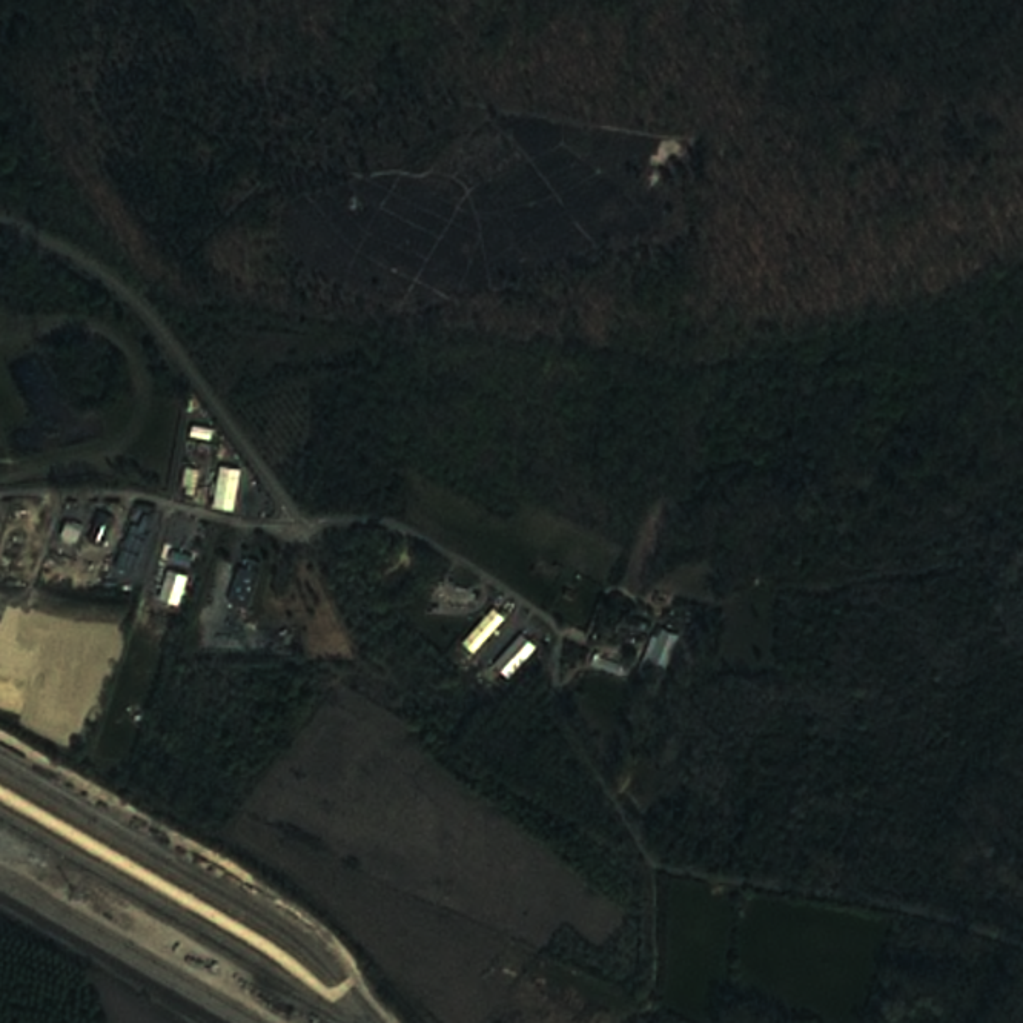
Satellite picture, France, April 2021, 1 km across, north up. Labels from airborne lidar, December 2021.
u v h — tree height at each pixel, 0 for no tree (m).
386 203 0
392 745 0
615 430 21
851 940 0
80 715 0
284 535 0
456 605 0
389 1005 14
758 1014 35
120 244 19
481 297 9
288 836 10
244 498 0
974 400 25
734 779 8
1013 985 35
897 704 8
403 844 0
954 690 8
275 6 16
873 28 24
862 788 15
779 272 18
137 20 20
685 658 33
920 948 6
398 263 0
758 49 30
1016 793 28
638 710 27
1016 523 16
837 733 7
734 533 22
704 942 0
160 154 10
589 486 20
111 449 0
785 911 0
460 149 0
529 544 0
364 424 8
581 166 0
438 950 0
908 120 24
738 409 19
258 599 0
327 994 0
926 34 27
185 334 12
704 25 26
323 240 0
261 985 0
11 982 18
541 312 15
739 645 0
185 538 0
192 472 0
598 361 18
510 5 12
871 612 11
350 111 16
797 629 9
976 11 26
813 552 24
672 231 0
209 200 12
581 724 36
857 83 28
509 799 12
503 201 0
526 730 17
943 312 19
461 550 0
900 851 7
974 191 11
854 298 22
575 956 6
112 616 0
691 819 20
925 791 7
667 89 17
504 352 17
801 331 22
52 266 15
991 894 6
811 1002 0
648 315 19
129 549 0
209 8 17
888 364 19
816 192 20
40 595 0
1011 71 29
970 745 9
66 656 0
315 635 0
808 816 10
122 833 0
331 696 0
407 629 9
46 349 9
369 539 13
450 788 0
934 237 24
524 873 0
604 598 9
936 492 21
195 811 18
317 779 0
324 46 23
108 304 19
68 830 0
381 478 8
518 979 0
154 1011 0
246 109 15
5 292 21
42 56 15
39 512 0
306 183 17
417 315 6
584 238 0
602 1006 0
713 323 19
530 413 23
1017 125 29
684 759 19
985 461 28
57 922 0
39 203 23
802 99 25
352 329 15
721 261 19
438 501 0
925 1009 8
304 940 0
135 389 15
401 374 20
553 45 20
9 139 21
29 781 0
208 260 12
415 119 20
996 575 17
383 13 20
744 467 16
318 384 6
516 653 0
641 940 6
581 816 19
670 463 19
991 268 22
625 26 21
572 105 15
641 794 0
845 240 17
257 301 13
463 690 8
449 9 14
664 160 0
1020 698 8
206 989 0
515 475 21
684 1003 0
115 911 0
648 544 0
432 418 23
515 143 0
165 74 20
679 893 0
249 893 0
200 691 10
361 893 0
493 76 15
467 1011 0
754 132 22
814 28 30
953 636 15
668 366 21
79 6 8
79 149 13
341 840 0
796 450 17
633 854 8
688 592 0
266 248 10
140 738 9
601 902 0
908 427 17
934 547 9
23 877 0
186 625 10
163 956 0
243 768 9
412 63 14
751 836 32
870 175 20
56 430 10
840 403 22
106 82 17
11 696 0
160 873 0
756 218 19
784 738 12
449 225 0
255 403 9
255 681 15
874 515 7
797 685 7
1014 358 24
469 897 0
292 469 9
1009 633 26
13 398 0
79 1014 21
